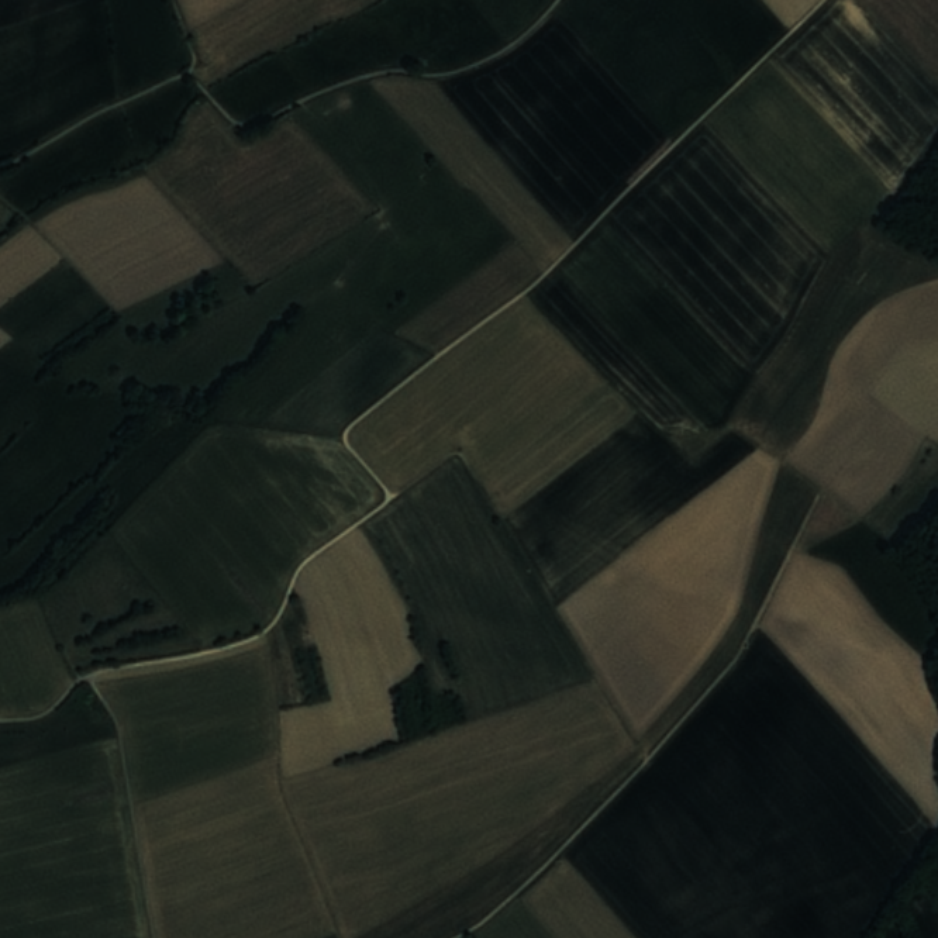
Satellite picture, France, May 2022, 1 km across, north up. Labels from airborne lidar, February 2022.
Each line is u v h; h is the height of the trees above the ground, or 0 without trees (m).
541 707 0
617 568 0
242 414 0
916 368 0
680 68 0
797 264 0
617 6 0
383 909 0
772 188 0
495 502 0
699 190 0
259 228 0
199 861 0
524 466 0
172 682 0
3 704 0
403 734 7
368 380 0
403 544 0
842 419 0
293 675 0
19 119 0
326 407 0
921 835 0
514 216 0
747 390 0
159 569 0
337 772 0
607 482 0
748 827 0
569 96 0
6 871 0
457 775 0
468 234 0
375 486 0
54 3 0
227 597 0
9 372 0
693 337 0
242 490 0
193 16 0
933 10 0
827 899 0
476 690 0
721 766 0
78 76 0
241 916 0
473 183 0
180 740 0
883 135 0
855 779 0
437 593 0
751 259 0
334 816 0
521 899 0
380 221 0
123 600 0
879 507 0
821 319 0
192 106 7
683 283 0
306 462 0
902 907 15
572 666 0
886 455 0
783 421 0
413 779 0
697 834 0
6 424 0
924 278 0
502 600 0
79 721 0
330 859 0
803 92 0
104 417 0
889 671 0
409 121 0
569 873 0
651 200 0
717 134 0
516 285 0
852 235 0
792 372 0
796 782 0
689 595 0
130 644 9
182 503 0
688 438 0
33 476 0
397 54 0
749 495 0
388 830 0
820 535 0
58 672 0
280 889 0
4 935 0
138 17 0
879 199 0
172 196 0
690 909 0
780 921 0
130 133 0
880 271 0
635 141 0
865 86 0
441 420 0
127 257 0
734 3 0
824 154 0
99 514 9
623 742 0
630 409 0
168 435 0
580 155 0
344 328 0
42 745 0
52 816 0
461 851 0
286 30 0
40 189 0
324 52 0
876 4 0
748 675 0
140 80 0
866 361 0
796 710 0
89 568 0
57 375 10
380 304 0
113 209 0
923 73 0
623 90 0
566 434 0
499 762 0
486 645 0
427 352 0
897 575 0
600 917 0
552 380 0
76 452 0
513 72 0
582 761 0
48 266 0
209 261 0
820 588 0
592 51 0
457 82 0
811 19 0
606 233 0
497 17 0
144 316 0
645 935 0
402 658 0
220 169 0
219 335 0
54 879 0
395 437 0
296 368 0
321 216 0
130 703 0
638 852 0
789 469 0
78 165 0
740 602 0
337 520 0
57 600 0
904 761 0
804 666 0
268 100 0
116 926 0
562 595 0
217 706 0
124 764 0
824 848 0
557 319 0
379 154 0
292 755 0
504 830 0
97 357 0
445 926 0
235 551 0
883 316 0
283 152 0
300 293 0
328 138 0
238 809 0
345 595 0
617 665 0
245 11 0
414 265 0
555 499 0
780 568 0
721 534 0
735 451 0
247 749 0
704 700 0
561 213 0
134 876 0
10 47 0
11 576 0
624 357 0
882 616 0
